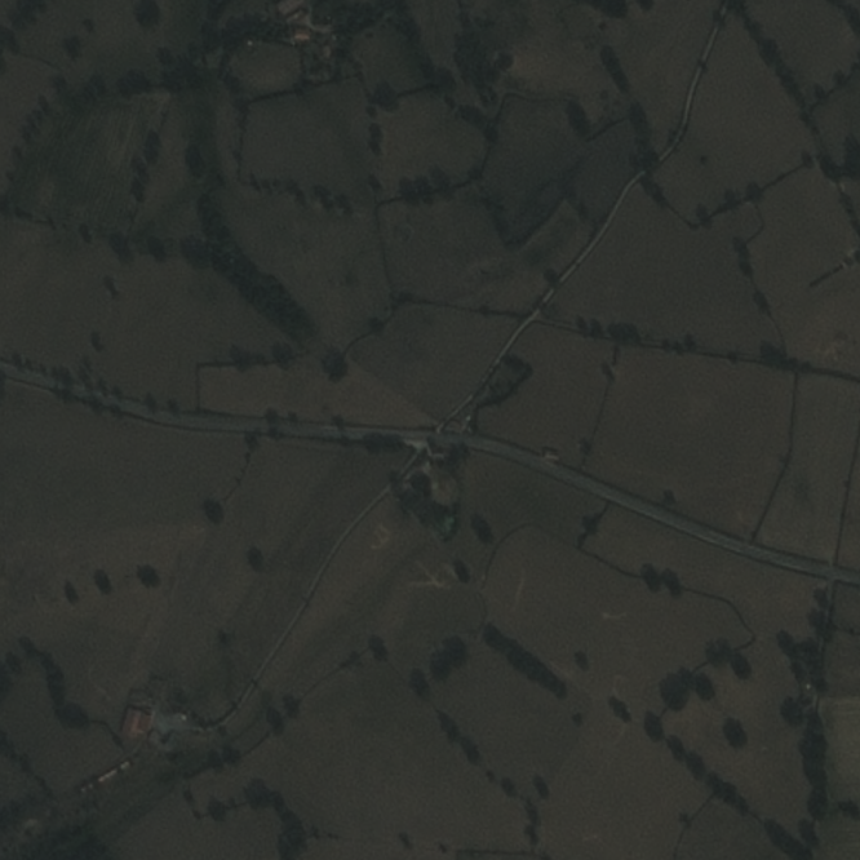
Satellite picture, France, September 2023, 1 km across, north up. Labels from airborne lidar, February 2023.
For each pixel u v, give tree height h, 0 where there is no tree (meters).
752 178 0
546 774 0
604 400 0
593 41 0
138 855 0
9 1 0
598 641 0
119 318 0
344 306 0
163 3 0
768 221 0
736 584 0
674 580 15
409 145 0
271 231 0
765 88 0
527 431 0
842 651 0
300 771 0
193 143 0
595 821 0
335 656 0
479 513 0
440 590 0
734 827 0
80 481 0
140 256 0
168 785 0
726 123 0
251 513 0
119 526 0
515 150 0
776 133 0
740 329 0
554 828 0
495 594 0
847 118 0
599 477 0
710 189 0
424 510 13
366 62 0
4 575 0
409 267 0
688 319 0
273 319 15
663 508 0
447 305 0
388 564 0
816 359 0
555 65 0
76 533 0
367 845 0
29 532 0
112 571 0
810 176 0
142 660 0
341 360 16
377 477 0
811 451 0
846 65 0
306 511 0
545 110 0
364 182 0
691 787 0
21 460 0
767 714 0
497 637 14
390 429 0
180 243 0
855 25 15
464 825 0
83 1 0
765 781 0
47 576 0
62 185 0
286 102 0
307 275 0
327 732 0
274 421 12
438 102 0
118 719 0
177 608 0
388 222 0
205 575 0
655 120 0
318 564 0
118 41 0
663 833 0
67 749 0
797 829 0
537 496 0
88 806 11
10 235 0
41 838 6
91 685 0
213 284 0
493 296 0
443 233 0
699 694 10
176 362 0
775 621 0
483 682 0
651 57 0
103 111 0
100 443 0
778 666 0
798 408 0
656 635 0
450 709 0
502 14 0
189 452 0
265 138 0
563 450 0
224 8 7
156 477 0
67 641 0
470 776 0
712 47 0
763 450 0
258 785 0
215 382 0
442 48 0
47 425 0
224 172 0
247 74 0
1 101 0
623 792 0
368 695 0
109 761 0
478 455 0
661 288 0
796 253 0
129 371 0
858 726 0
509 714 0
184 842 0
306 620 0
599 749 0
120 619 0
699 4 0
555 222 0
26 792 0
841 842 0
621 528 0
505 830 0
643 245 0
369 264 0
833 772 0
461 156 0
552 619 0
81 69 0
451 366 0
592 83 0
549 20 0
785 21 0
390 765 0
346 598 0
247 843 0
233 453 0
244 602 0
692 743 0
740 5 13
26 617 0
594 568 0
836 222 0
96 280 0
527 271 0
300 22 0
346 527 0
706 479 0
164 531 0
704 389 0
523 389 0
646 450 0
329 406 0
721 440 0
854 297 0
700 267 0
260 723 0
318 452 0
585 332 8
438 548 0
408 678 0
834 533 0
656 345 0
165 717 0
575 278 0
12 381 0
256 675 0
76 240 0
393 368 0
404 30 8
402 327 0
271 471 0
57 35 0
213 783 0
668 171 0
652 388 0
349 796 0
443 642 0
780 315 0
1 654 0
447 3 0
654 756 0
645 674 0
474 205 0
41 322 0
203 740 0
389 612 0
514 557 0
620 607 0
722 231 0
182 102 0
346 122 0
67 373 9
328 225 0
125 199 0
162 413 0
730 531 0
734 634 0
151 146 11
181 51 0
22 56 0
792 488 0
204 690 0
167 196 0
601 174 0
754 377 0
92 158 0
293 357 15
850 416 0
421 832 0
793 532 0
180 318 0
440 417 0
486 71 11
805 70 0
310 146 0
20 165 15
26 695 0
